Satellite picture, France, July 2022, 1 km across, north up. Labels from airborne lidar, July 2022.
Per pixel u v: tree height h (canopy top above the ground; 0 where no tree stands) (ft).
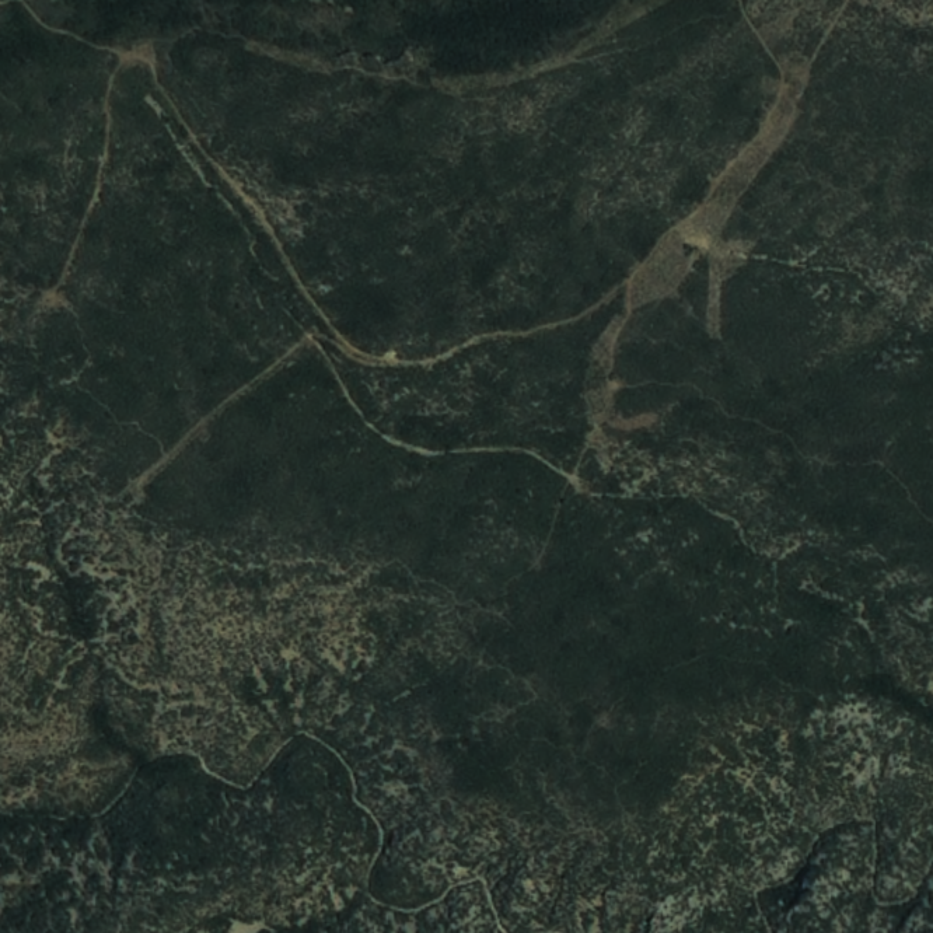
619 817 0
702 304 0
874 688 28
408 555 0
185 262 0
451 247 0
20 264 0
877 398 0
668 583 0
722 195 0
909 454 0
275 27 20
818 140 0
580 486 0
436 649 0
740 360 0
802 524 0
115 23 22
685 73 0
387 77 0
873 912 0
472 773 0
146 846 20
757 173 0
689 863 27
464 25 20
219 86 0
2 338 0
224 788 18
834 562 0
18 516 21
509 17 18
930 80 0
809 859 25
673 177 0
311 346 0
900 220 0
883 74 0
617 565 0
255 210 0
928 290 0
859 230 0
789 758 21
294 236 0
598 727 0
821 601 20
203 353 0
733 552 20
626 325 0
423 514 0
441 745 18
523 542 0
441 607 0
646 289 0
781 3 0
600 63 0
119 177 0
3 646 0
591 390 0
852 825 19
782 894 19
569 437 18
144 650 0
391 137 0
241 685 19
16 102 0
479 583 0
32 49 21
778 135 0
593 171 0
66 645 26
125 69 0
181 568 0
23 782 19
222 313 20
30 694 0
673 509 22
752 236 0
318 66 0
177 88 0
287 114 0
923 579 0
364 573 0
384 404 0
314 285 0
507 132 0
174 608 0
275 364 0
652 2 0
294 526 0
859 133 0
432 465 23
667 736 0
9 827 21
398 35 23
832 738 19
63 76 0
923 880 21
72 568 20
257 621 0
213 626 0
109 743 28
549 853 31
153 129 0
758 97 0
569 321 0
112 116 0
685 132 0
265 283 22
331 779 22
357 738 22
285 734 21
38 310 0
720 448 0
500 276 0
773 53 0
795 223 0
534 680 0
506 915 26
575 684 0
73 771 0
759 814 20
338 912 24
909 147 0
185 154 0
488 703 0
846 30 0
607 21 0
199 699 0
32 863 26
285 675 24
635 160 0
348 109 0
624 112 0
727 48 0
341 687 19
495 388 18
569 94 0
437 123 0
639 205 0
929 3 0
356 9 22
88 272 0
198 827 23
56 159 0
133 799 22
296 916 30
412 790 20
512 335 0
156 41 0
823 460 0
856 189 0
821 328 0
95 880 20
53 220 0
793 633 37
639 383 0
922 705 27
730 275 0
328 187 0
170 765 20
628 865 0
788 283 0
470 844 28
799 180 0
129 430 0
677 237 0
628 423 0
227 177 0
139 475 0
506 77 0
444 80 0
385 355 0
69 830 24
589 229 17
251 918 19
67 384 0
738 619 20
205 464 0
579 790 0
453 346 0
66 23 23
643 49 0
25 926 21
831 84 0
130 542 0
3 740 0
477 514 0
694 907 0
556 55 0
